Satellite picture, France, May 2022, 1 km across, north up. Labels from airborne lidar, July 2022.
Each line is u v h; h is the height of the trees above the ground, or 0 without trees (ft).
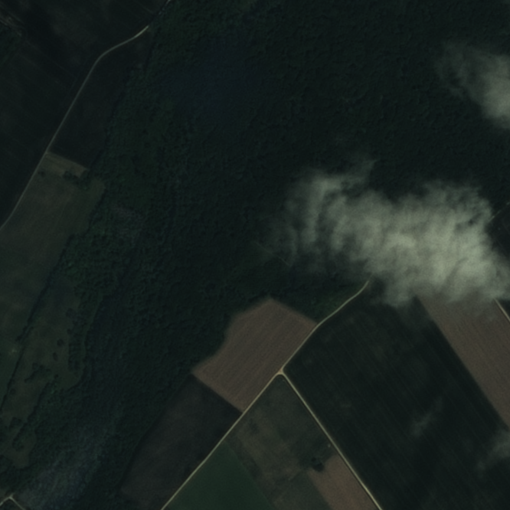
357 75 75
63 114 0
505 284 0
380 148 85
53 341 0
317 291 78
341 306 0
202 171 84
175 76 26
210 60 81
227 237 84
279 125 86
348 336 0
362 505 0
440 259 0
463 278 0
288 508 0
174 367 70
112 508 38
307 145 91
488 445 0
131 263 110
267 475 0
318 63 89
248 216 104
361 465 0
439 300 0
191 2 75
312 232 96
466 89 91
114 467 77
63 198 0
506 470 0
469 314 0
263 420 0
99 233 33
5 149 0
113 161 50
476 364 0
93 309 23
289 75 91
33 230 0
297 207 68
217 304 83
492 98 79
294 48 86
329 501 0
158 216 28
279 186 95
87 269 61
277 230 77
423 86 68
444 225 84
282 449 0
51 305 0
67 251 41
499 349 0
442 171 98
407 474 0
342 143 97
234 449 0
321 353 0
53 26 0
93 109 0
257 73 90
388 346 0
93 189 0
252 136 75
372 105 79
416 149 83
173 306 86
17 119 0
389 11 100
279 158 94
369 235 94
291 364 0
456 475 0
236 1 81
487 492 0
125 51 0
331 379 0
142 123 27
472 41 57
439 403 0
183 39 29
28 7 0
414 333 0
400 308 0
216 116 65
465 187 77
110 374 124
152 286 79
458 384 0
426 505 0
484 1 88
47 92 0
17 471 29
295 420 0
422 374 0
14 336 0
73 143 0
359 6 97
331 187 88
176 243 97
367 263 84
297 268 86
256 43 97
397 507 0
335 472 0
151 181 33
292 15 83
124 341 85
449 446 0
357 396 0
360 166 85
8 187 0
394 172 71
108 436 68
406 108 80
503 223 0
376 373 0
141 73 63
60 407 49
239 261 88
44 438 73
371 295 0
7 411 0
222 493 0
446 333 0
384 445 0
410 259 67
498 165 74
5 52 81
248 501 0
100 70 0
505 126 77
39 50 0
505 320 0
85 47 0
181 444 0
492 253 0
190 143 77
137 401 71
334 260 86
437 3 81
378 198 84
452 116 86
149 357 73
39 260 0
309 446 0
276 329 0
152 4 0
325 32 86
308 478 0
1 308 0
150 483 0
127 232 72
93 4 0
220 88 92
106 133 42
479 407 0
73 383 0
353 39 87
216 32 26
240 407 0
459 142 92
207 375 0
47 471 69
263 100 76
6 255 0
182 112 27
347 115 87
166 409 0
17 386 0
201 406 0
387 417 0
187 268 82
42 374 24
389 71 69
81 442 88
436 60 80
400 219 92
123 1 0
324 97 81
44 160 0
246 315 0
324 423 0
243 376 0
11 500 26
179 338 96
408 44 67
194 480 0
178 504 0
